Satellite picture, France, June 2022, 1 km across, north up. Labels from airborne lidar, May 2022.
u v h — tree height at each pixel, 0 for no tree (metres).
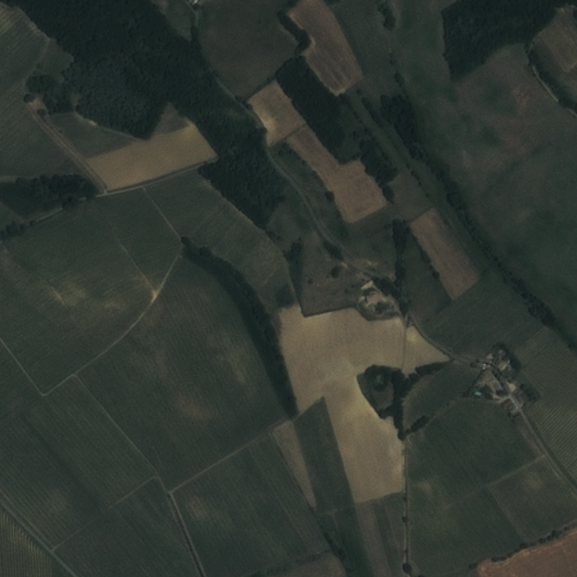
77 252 0
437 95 0
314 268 0
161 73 16
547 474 0
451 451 0
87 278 0
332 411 0
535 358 0
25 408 0
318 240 0
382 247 0
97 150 0
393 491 0
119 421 0
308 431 0
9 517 0
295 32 16
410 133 15
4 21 0
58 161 0
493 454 0
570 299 0
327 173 0
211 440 0
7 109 0
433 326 0
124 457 0
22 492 0
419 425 15
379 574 0
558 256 0
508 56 0
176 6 0
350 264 0
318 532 0
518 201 0
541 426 0
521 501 0
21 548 0
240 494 0
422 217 0
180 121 0
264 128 9
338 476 0
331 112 19
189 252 0
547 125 0
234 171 16
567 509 0
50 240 0
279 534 0
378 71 0
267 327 12
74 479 0
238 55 0
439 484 0
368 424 0
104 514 0
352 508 0
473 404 0
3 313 0
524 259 0
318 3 0
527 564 0
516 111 0
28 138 0
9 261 0
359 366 0
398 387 19
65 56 0
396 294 12
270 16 0
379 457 0
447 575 0
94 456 0
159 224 0
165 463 0
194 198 0
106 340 0
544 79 15
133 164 0
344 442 0
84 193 0
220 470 0
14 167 0
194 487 0
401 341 0
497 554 0
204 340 0
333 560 0
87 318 0
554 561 0
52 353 0
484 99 0
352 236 0
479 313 0
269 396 0
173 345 0
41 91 10
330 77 0
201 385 0
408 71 0
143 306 0
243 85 0
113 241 0
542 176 0
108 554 0
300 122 0
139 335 0
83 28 13
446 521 0
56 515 0
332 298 0
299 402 0
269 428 0
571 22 0
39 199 22
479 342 0
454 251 0
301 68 18
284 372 8
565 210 0
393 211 0
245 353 0
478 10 17
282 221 0
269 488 0
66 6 16
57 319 0
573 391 0
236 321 0
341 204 0
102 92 16
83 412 0
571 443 0
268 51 0
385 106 13
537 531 0
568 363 0
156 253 0
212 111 12
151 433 0
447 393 0
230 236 0
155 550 0
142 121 16
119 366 0
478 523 0
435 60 0
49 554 0
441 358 0
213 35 0
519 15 14
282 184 10
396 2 0
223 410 0
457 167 0
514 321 0
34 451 0
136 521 0
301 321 0
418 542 0
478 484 0
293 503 0
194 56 13
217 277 0
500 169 0
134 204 0
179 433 0
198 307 0
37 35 0
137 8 14
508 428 0
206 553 0
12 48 0
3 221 0
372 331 0
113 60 13
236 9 0
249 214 15
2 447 0
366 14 0
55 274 0
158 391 0
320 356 0
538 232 0
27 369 0
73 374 0
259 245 0
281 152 10
